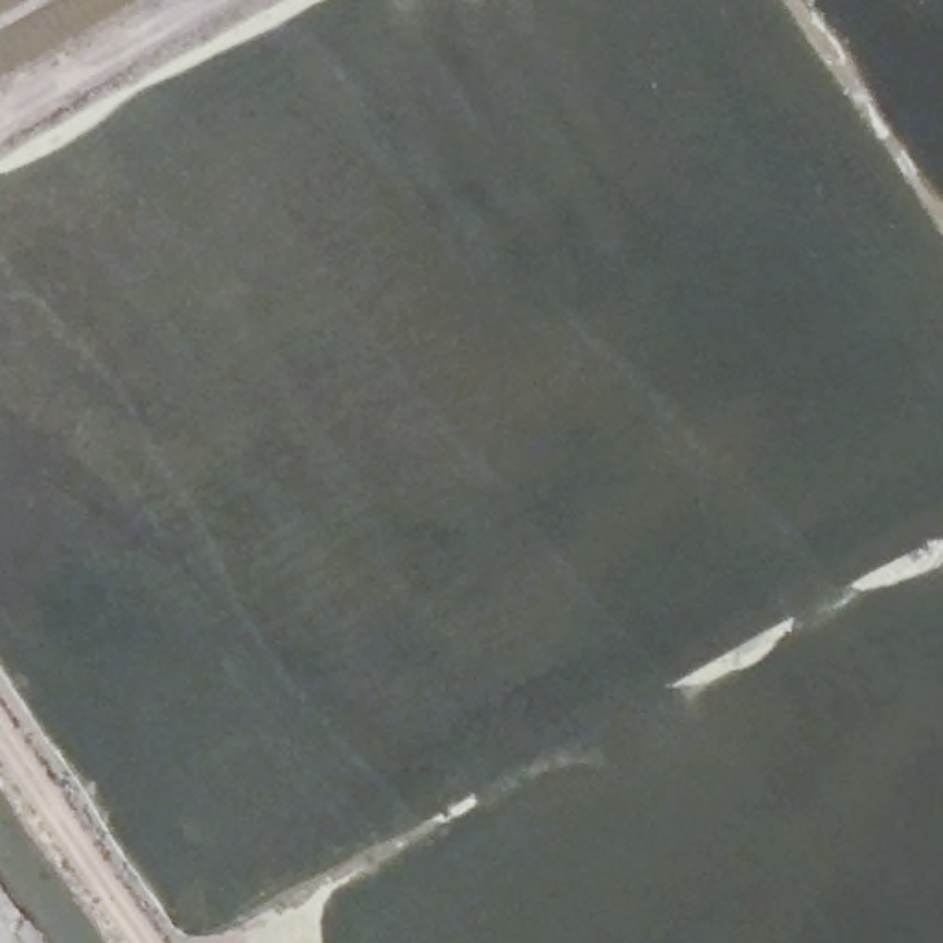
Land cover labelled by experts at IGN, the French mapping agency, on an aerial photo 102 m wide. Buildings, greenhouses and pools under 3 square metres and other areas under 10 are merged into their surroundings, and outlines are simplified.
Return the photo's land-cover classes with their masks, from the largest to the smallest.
<instances>
[{"label":"water","instance_id":"1","mask_svg":"<svg viewBox=\"0 0 943 943\"><path fill-rule=\"evenodd\" d=\"M136 0H0V77L15 74L26 63H37L48 52H59L66 37L92 29L96 22L111 18L114 11ZM943 538V232L917 203L899 166L888 158L866 118L858 114V107L844 96L832 70L818 59L807 33L788 15L785 0H320L302 15L287 18L284 26L254 41H243L169 81L151 85L147 92L122 103L111 118H103L96 129L81 133L66 147L0 177V663L26 696L44 733L96 788V799L118 844L158 891V899L169 910V921L188 936H214L236 928L254 914L298 906L313 891L317 877L339 869L357 851L390 840L402 829L446 810L449 803L475 796L501 774L527 766L549 751L600 748L604 766L545 770L541 777H530L527 785L508 792L501 803L475 807L453 825H442L424 844L405 847L383 869L335 891L320 917L324 943H943V567L862 593L821 630H792L759 663L733 670L704 689H681L678 678L718 659L729 648H740L744 641L759 637L781 619H796L803 608H814L818 600L840 597V589L855 578ZM821 18L851 52L884 122L906 144L925 180L943 195V0H814ZM0 891L44 943H103L92 917L59 880L41 844L26 832V825L15 818L11 803L0 792Z\"/></svg>","mask_w":943,"mask_h":943},{"label":"pervious surface","instance_id":"2","mask_svg":"<svg viewBox=\"0 0 943 943\"><path fill-rule=\"evenodd\" d=\"M320 0H136L114 11L111 18L96 22L92 29L66 37L59 52H48L37 63H26L15 74L0 77V177L66 147L81 133L96 129L103 118H111L122 103L147 92L151 85L169 81L243 41H254L284 26L287 18L302 15ZM788 15L807 33L818 59L832 70L844 96L858 107V114L866 118L888 158L899 166L917 203L943 232V195L925 180L906 144L884 122L851 52L821 18L814 0H785ZM943 567V538L855 578L840 589V597L818 600L814 608H803L796 619H781L759 637L744 641L740 648H729L718 659L678 678L681 689H704L733 670L759 663L792 630H821L862 593ZM604 766L600 748L549 751L527 766L501 774L475 796L449 803L446 810L402 829L390 840L357 851L339 869L317 877L313 891L298 906L254 914L236 928L214 936H188L169 921V910L158 899V891L118 844L96 799V788L44 733L26 696L0 663V792L11 803L15 818L26 825V832L41 844L59 880L92 917L103 943H324L320 917L335 891L383 869L405 847L424 844L442 825H453L475 807L501 803L508 792L527 785L530 777H541L545 770ZM0 943H44L0 891Z\"/></svg>","mask_w":943,"mask_h":943}]
</instances>
